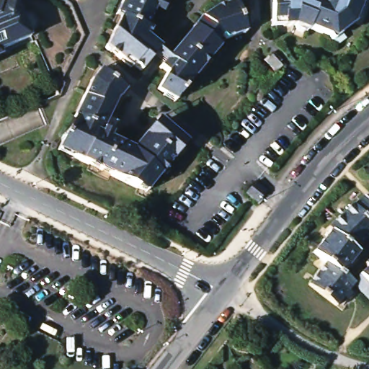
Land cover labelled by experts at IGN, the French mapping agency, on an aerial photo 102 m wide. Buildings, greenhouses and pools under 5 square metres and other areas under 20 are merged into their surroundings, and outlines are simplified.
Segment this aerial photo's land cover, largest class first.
<instances>
[{"label":"impervious surface","instance_id":"1","mask_svg":"<svg viewBox=\"0 0 369 369\"><path fill-rule=\"evenodd\" d=\"M71 10L79 35H88L71 76V84L65 94L56 105L52 123L46 120L43 110L40 108L27 112L20 118H0V146L16 140L29 131L49 128L48 134L42 138L39 156L29 166L22 169L7 166L0 161V262L6 255L14 254L19 264V267L7 265V270L17 275L9 284L4 283L3 274H0V297L9 295L10 301L17 303L19 316L25 317L29 330L37 332L42 327L43 332L55 334L56 340L63 337L66 340V353L69 357H75L76 362H81L82 357L89 363H98L102 360V369H199L197 360L212 346L215 334L221 332V323L225 316L236 320L241 314H245L257 320L267 332L275 330L280 336L284 334L295 346L327 359L323 369H352L360 366V360L347 357V347L369 326V316L355 329H347L344 336L337 355L301 342L291 332L287 321L277 314L265 313L255 294V285L261 281L265 272L270 270L274 259L290 245L298 229H301L308 216L319 206L321 197L329 195L330 190L342 180H352L363 196L369 193V85L360 89L355 97L344 102L339 110L330 107V117L308 137L304 146L295 151L293 159L283 172L272 173V163L280 154H284V148L301 130H306L308 121L317 114V111H321L324 102L332 95L329 78L323 71L317 74H303L285 58L281 50H278L275 56L280 59L283 66L284 75L280 81L272 86L270 91L258 92L254 108H251L248 117L242 120V123H236L235 130L229 134L228 144L225 147L213 148L209 141L206 147L197 153L199 169L195 179L186 180L182 189L173 193L151 192L146 195L141 202L146 205L148 215L156 218L161 232H179L183 238L202 248L208 246L210 236H215L221 231L231 212L238 209L242 202H252L254 208L251 209V216L226 246L225 251L213 257H205L177 242H170L167 248H160L150 242H144L138 236L120 231L84 210L76 209L74 206L66 205L62 200L46 195L45 190L50 189L68 196L86 208L97 210L99 213L108 212L97 203L89 202L84 197L46 180L48 173L45 167V154L48 151L59 150L61 137L58 135V127L69 99L78 86L86 88L91 76L97 79L105 66H114L115 71L120 72L130 86L114 114V117L120 118L117 125L118 133L131 140H138L151 125L161 123L172 131V146L176 147L177 140L184 143L189 140V133L176 123V112L157 101L156 97L147 98L148 85L153 78L146 69L135 63L121 61L107 49L110 35L102 33V26L108 19L105 7L108 0H61ZM30 216L46 222L42 235L36 236L33 245L27 244L26 232L23 231L25 221ZM72 236L105 249L118 257L117 262H110L107 267L99 268L98 257L85 249H79L78 245H71ZM137 258L141 262L137 267L146 268L147 272L163 278L172 287L179 311L183 314L182 329L179 332L170 334L159 326L157 320L164 317L160 301L161 290L157 285L151 284V281H143V278H138L137 275L127 280V271ZM79 275H84L86 280L94 284L95 295L98 297L92 303L86 304L85 308H76L74 295L63 288L69 277L76 278ZM135 311L146 314V329H137V332H133L121 327L120 317L127 319L128 316H134ZM169 6L167 9L159 7L156 10L153 23L156 26L154 30L157 35L163 37L167 48L172 50L193 23L187 17V0H166ZM248 9L246 16L249 19V30L257 33L259 27L271 20V0H242ZM350 235L363 245V249L355 264L347 267L353 277H357L365 270L366 261L369 259V229H357L355 226L350 232ZM308 285L323 295L334 307L343 310V301L339 303L329 288L317 284Z\"/></svg>","mask_w":369,"mask_h":369},{"label":"building","instance_id":"2","mask_svg":"<svg viewBox=\"0 0 369 369\"><path fill-rule=\"evenodd\" d=\"M16 0H0V62L26 50L29 42L39 45L37 33L30 32L19 22V14L14 12ZM169 6L166 0H121L115 17V27L110 35L107 49L121 61L135 63L146 69L153 78L159 79V89L166 97L177 101L184 89L192 84L196 75L202 74L203 69L209 65L210 58L223 48L229 37L241 35L249 30V19L246 16L248 9L242 0H229L225 1V4L212 7L208 13L202 14L197 22L193 23L172 50L167 48L163 37L157 35L154 30L156 26L153 23L156 10L159 7L167 9ZM272 26H285L288 32L297 36L303 35L306 30H316L320 33L342 42L344 37L353 36V32L359 27L369 25V0H271V20ZM267 63L272 69L283 66L280 59L275 56H265ZM130 86L120 72L115 71L114 66H105L97 79L91 76L86 88L76 105V118L61 137L59 150L84 163L89 164L92 169L101 170V176L115 177L144 193L146 195L151 192V187L164 183L161 177L179 156L184 143L177 140L176 147L172 146V131L161 123L151 125L138 140H131L118 133L117 125L120 118L114 117V114ZM347 212H343V218H337L332 226H327L320 228V242L317 248L310 245L311 252L319 258L314 262L317 268H320L317 272V284L329 288L339 303L343 301L353 300L360 291L369 298V259L366 261L365 270L357 277H353L347 267L355 264L363 249V245L350 235V232L355 226L357 229H369V193L363 196L362 199L355 200L353 205H347Z\"/></svg>","mask_w":369,"mask_h":369},{"label":"brushwood","instance_id":"3","mask_svg":"<svg viewBox=\"0 0 369 369\"><path fill-rule=\"evenodd\" d=\"M61 16L65 14L66 25L72 29V36L66 43V49L56 55V62H63L69 53L74 56L68 69L63 72L71 76L88 35H79L71 10L61 0H49ZM121 0H108L105 7L108 19L102 26V33L110 35L115 27V17ZM225 1L229 0H187V17L193 23L197 22L202 14L208 13L212 7L225 4ZM262 35L274 40L278 50H281L285 58L303 74H317L323 71L329 78L332 95L324 102L321 111H317V114L308 121L306 130H301L284 148V154H280L272 163V173L283 172L293 159L295 151L304 146L308 137L330 117V107L339 110L344 102L355 97L360 89L369 85V68L355 74L353 66L356 62V50L369 48V25L359 27L353 32V36L344 37L342 42L320 33L317 36L319 48L300 45L297 43V36L288 32L285 26H272L264 30ZM39 45L40 55L36 56L35 62L27 66L29 75L32 76V84L46 72L52 66L46 49L52 48L53 43L48 32L37 33ZM235 68L241 71V76L235 84V91L242 95V102L232 114L223 118L222 130L209 141L213 148L225 147L228 144L229 134L235 130L236 123H242V120L248 117L251 108H254L258 92L270 91L272 86L280 81L284 75L283 66L272 69L267 63L261 65L255 52L246 56L245 61L239 59ZM84 163L59 150L48 151L45 154V167L48 173L46 180L84 197L89 202L97 203L108 212L99 213L97 210L86 208L68 196L50 189L45 190L46 195L62 200L66 205L74 206L76 209L84 210L120 231L138 236L144 242H150L160 248H167L170 242H177L205 257H213L225 251L226 246L251 216V209L254 208L252 202H242L238 209L231 212L221 231L215 236H210L208 246L202 248L183 238L179 232H161L156 218L148 215L146 205L141 202L146 195L144 193L143 196L135 197L112 196L110 193L102 192L98 184H89L85 190L82 186L84 183L79 179ZM350 193L342 180L330 190L329 195L321 197L319 206L308 216L301 229H298L290 245L274 259L270 270L265 272L261 281L255 285V294L265 313L277 314L287 321L291 332L301 342L337 355L344 336L330 326L329 321L306 319L301 313L300 304L287 303L278 291V272H284L290 277L293 272L303 271L311 252L310 245L317 248L320 242V228L327 226L326 209L334 212L340 199ZM46 222L30 216L25 221L23 231L26 232L27 244L33 245L36 236L42 235ZM7 265L19 267V264L14 254L6 255L0 262V274H3L4 283L9 284L17 275L7 270ZM121 327L133 332H137V329H146V314L135 311L134 316H128L127 319L120 317ZM183 314L179 311L173 319L164 317L157 320L159 326L170 334L179 332L182 329ZM347 357L360 360V366L352 369H369V326L347 347ZM272 352L280 355L283 369H323L327 359L295 346L284 334L280 336Z\"/></svg>","mask_w":369,"mask_h":369},{"label":"herbaceous vegetation","instance_id":"4","mask_svg":"<svg viewBox=\"0 0 369 369\"><path fill-rule=\"evenodd\" d=\"M272 26L271 20L259 27L257 33L249 30L241 35L229 37L223 48L210 58L209 65L203 69L202 74L196 75L192 84L184 89L177 101L166 97L159 89V79L153 78L148 85L147 98L156 97L157 101L176 112V123L189 133V140L184 143L179 156L161 177L164 183L151 187V192L173 193L182 189L186 180L195 179L199 169L197 153L206 147L209 141L222 130L223 118L232 114L242 102V95L235 91V84L241 76V71L235 68L239 59L245 61L246 56L255 52L261 65L267 63L265 56H275L278 50L274 40L262 35L264 30ZM320 33L316 30H306L303 35L297 36V43L300 45L319 48L317 36ZM40 55L39 45L29 42L26 50L0 62V95L6 99L14 97L16 92L23 91L26 86L32 84V76L29 75L27 66L35 62L36 56ZM356 62L353 66L355 74L369 68V48L356 50ZM86 88L78 86L69 99L58 127V135L61 137L76 118V105ZM65 94L58 91L53 97L48 98L49 107L43 110L46 120L52 123L56 105ZM49 128L29 131L16 140L0 146V161L7 166L22 169L29 166L39 156L42 138L48 134ZM79 179L84 183L82 186L85 190L89 184H98L102 192L110 193L112 196L135 197L143 196L144 193L115 177L101 176V170L92 169L89 164L84 163ZM350 193L340 199L334 212L326 209L327 226H332L337 218H343V212H347V205H353L355 200L362 199L363 196L352 180H342ZM319 258L311 252L303 271L293 272L290 277L284 272H278V291L287 303L300 304L301 313L306 319L329 321L330 326L344 336L347 329H355L369 316V298L360 291L353 300L343 301V310L334 307L323 295L308 285L317 284V272L320 268H317L314 262ZM236 320L225 316L221 323V332L215 334L212 346L197 360L199 369H206L212 363L213 357L219 355L223 346L228 343L229 332ZM23 343L27 353L36 359L35 369H102V360L98 363H89L82 357L81 362H76L75 357H69L66 353V340L63 337L56 340L55 334L43 332L42 327L37 332L29 330ZM280 336L275 330L267 332L262 353L270 360V369H283L280 355L272 352Z\"/></svg>","mask_w":369,"mask_h":369},{"label":"deciduous trees","instance_id":"5","mask_svg":"<svg viewBox=\"0 0 369 369\"><path fill-rule=\"evenodd\" d=\"M58 91L55 82L46 72L32 84L26 86L23 91L16 92L14 97L6 99L0 95V118H20L27 112L40 108L43 110L49 107L48 98L53 97ZM63 288L74 295L76 308H85L86 304L92 303L98 297L95 295L94 284L86 280L84 275H79L76 278L69 277ZM29 330L25 317L19 316L17 303L10 301L9 295L0 297V369H35L36 359L27 353L23 343ZM267 332L257 320L245 314H241L236 320L229 332L228 343L223 346L219 355L213 357L212 363L206 369H270V360L262 353Z\"/></svg>","mask_w":369,"mask_h":369},{"label":"pervious surface","instance_id":"6","mask_svg":"<svg viewBox=\"0 0 369 369\"><path fill-rule=\"evenodd\" d=\"M14 12L19 14V22L30 32L37 33L48 32L53 43L52 48L46 49L52 66L46 72L55 82L58 91L65 94L71 84V76L63 72L68 69L74 56L69 53L63 62H56V55L66 49V43L72 36V29L66 25L65 14L61 16L49 0H16ZM71 245H78L79 249H85L98 257L99 268L107 267L110 262H117L118 257L105 249L72 236ZM141 262L137 258L127 271V280L137 275L138 278H143V281H151V284L157 285L161 290L160 301L164 317L173 319L179 311L172 287L163 278L147 272L146 268L137 267Z\"/></svg>","mask_w":369,"mask_h":369}]
</instances>
